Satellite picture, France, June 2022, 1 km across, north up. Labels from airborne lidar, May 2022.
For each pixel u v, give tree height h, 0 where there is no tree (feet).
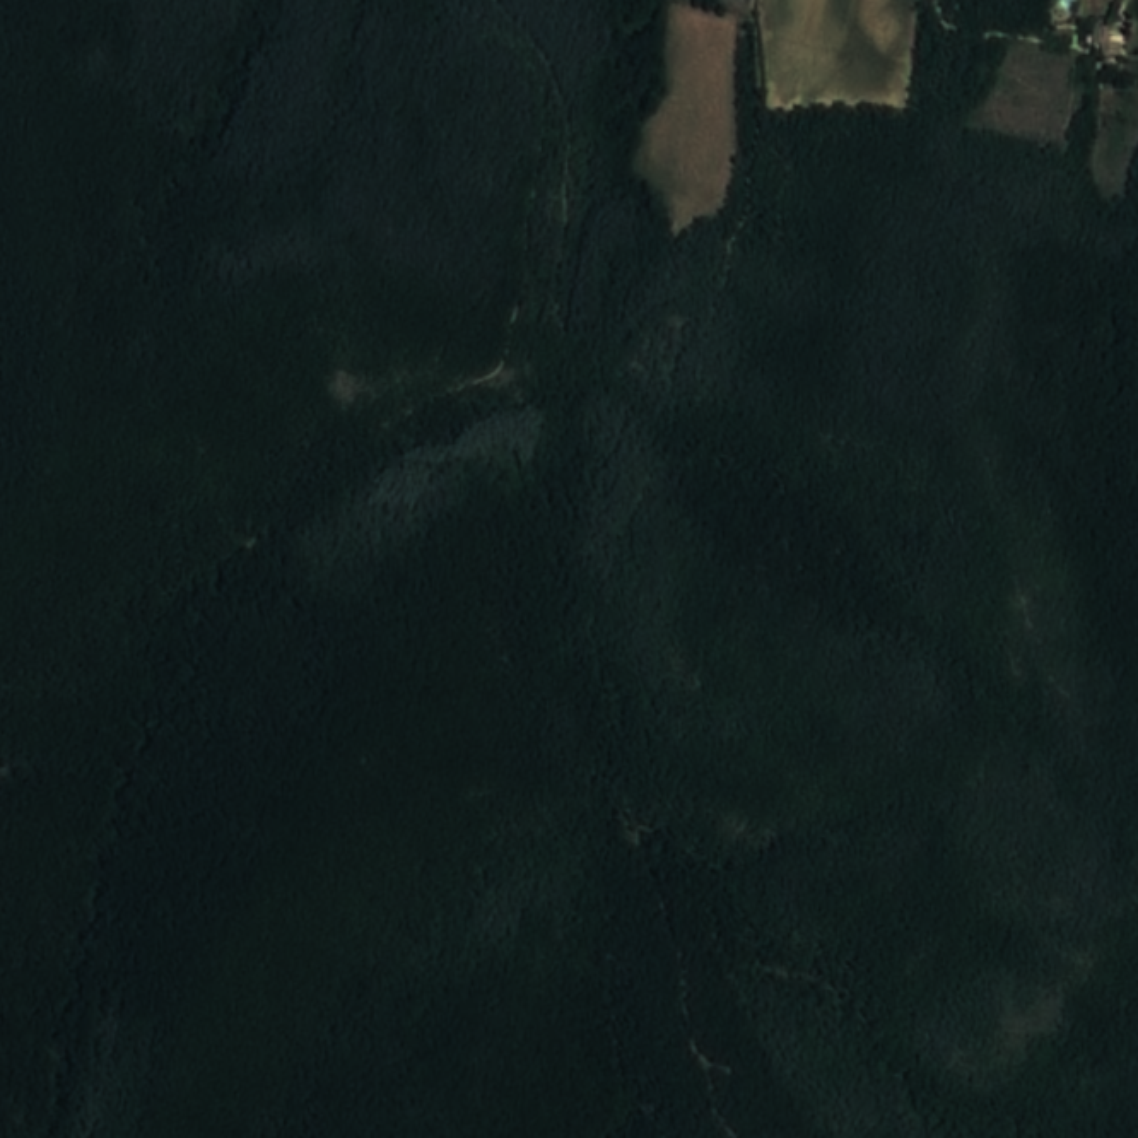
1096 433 53
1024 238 22
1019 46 0
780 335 30
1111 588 50
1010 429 21
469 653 31
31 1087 52
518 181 28
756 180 36
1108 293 52
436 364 21
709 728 29
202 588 47
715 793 25
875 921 41
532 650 47
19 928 42
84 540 29
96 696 49
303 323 27
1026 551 18
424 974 44
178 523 43
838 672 19
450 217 37
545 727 50
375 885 22
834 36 0
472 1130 29
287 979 28
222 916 31
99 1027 48
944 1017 22
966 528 28
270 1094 34
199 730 42
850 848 25
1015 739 27
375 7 38
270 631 33
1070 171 31
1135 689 28
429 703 30
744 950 55
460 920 40
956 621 22
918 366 31
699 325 35
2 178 24
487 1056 32
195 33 36
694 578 26
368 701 31
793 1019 38
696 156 0
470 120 43
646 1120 49
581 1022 55
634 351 33
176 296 52
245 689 43
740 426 39
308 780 40
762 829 29
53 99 28
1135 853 23
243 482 32
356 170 47
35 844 32
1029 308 38
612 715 45
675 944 36
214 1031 26
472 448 65
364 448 55
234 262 32
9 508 33
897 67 0
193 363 30
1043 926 20
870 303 19
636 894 42
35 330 32
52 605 30
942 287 27
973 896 24
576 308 60
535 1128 35
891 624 38
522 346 18
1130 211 33
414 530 33
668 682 21
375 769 26
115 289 45
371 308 30
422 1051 26
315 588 24
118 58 31
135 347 34
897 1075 53
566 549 46
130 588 41
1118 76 39
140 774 78
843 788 23
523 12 53
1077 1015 24
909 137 34
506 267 41
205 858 46
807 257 49
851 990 41
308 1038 27
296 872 24
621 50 68
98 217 39
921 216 21
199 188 38
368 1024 42
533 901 30
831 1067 34
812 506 37
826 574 50
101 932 52
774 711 33
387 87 38
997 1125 54
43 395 30
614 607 27
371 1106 42
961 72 44
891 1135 37
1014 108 0
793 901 24
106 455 28
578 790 48
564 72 47
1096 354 49
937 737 22
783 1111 33
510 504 45
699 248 40
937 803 29
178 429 27
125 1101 38
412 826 35
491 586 30
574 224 26
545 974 32
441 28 40
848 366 26
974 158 30
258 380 35
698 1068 37
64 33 38
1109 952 20
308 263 29
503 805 33
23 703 39
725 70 0
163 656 64
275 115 47
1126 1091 22
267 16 55
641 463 26
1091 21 20
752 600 25
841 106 40
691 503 25
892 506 33
